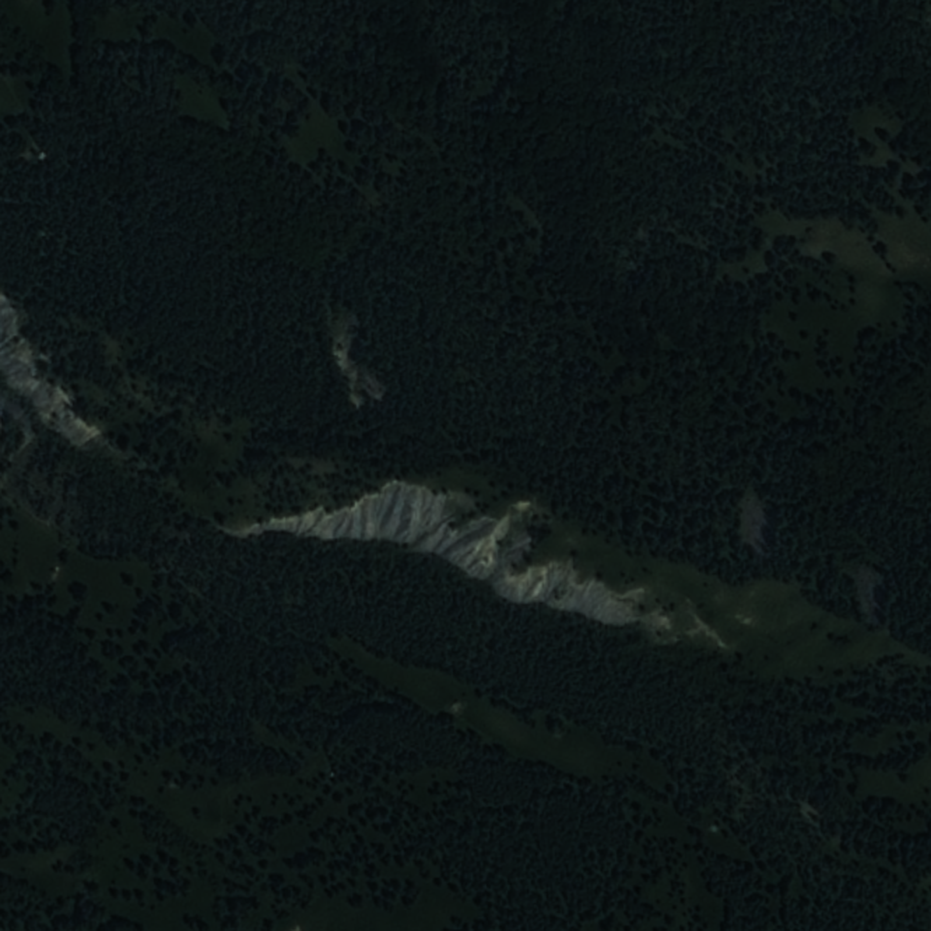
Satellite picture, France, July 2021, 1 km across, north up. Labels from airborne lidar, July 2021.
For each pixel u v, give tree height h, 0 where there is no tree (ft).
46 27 0
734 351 75
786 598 0
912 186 51
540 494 20
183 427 31
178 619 79
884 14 60
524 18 85
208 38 0
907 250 0
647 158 31
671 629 0
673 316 82
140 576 0
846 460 28
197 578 42
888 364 63
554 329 28
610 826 58
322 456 51
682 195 29
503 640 40
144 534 30
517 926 44
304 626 49
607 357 49
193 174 69
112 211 87
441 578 33
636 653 31
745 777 18
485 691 47
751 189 55
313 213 28
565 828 58
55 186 60
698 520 80
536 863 38
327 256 41
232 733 60
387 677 0
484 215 31
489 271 52
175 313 59
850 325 0
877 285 0
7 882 53
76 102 35
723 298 62
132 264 62
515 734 0
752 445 32
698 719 22
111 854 0
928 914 24
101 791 54
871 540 63
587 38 93
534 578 0
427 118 80
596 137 61
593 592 0
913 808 29
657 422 45
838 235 0
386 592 44
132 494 46
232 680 69
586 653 42
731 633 0
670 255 27
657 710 45
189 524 58
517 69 74
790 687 48
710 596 0
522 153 66
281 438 51
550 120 65
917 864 42
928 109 76
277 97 87
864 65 86
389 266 62
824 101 73
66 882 0
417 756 57
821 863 29
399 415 61
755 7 22
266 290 74
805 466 60
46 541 0
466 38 55
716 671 21
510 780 72
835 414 61
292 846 0
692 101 56
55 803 51
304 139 0
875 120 0
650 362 28
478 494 33
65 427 0
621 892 61
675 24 40
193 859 29
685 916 25
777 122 43
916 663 0
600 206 48
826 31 75
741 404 69
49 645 87
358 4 63
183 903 0
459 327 52
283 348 57
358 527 0
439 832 54
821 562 59
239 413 37
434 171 30
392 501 0
